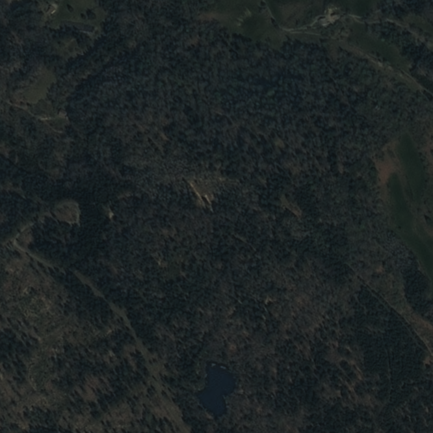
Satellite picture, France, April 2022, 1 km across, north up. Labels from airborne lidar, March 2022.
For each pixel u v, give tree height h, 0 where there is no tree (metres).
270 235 22
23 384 25
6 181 29
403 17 14
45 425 21
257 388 9
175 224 25
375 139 23
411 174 0
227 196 24
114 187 25
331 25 7
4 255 26
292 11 0
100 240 17
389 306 12
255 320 23
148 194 19
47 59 26
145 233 16
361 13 0
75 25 0
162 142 14
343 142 20
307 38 0
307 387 23
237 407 23
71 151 9
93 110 16
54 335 0
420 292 27
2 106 13
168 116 23
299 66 29
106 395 25
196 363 11
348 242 23
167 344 24
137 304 19
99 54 26
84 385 19
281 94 10
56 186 22
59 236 23
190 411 25
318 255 25
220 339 23
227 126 24
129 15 30
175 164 27
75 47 0
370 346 14
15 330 23
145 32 26
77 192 17
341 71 11
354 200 17
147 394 0
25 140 9
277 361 19
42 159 9
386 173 0
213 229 21
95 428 0
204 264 18
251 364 19
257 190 17
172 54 16
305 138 23
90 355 24
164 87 29
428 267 0
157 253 20
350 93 19
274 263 11
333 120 29
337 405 22
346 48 0
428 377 16
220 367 0
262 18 0
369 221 26
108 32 17
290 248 12
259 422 21
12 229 25
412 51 18
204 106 29
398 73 0
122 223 12
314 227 21
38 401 0
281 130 20
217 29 21
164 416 0
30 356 26
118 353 20
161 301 19
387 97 8
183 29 28
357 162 22
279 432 14
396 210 0
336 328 23
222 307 17
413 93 15
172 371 28
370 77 14
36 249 23
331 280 25
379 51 0
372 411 15
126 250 18
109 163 27
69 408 0
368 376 16
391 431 12
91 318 11
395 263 22
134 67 26
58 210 19
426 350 17
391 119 10
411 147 0
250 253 23
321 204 26
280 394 20
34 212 25
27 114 5
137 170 25
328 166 16
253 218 18
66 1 0
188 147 22
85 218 16
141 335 28
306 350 17
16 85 18
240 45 29
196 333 23
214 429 19
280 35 0
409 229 0
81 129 20
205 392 0
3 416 0
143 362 32
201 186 19
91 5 0
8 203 24
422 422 31
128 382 23
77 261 36
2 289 19
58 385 13
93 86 30
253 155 12
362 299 21
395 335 19
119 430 0
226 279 20
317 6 0
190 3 19
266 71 30
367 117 10
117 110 21
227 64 30
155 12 29
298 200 21
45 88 0
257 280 10
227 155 27
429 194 0
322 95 28
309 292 20
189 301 17
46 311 0
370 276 11
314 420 30
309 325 21
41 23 19
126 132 17
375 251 16
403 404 19
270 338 20
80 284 30
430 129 11
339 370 23
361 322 17
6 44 19
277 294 20
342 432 25
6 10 26
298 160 18
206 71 29
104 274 29
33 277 0
